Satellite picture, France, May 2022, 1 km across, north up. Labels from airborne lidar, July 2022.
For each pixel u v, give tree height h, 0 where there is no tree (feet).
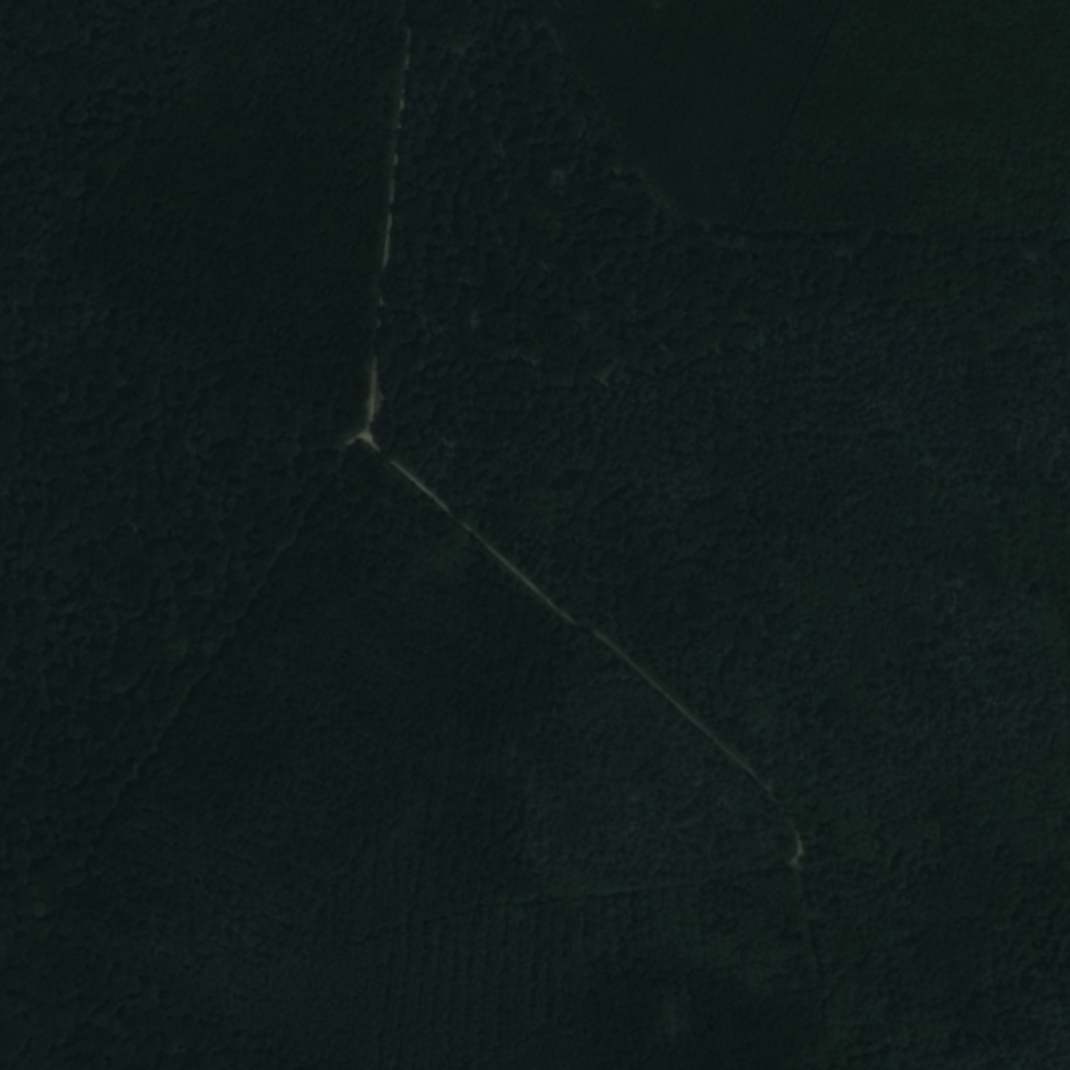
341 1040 63
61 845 83
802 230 36
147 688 95
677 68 19
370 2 40
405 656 55
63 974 108
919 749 100
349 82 55
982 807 78
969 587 107
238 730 67
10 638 77
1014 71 44
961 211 50
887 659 78
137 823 58
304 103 46
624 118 18
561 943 61
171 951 63
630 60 19
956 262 73
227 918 55
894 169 51
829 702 93
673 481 102
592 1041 71
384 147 43
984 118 43
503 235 73
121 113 80
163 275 64
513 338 64
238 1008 64
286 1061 70
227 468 102
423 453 72
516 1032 66
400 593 49
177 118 60
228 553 59
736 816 64
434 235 90
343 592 63
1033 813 73
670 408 99
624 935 56
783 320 46
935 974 93
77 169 95
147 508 89
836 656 74
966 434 77
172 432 77
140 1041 98
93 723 100
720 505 93
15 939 96
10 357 73
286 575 66
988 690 63
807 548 78
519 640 68
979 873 73
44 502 48
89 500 90
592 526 74
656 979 73
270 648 58
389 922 66
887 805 95
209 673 65
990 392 75
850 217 48
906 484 81
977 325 73
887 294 63
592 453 63
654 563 58
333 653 56
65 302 72
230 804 67
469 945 67
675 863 76
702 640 65
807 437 84
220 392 82
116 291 69
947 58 44
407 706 47
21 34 92
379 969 75
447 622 66
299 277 72
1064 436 71
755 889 80
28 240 85
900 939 36
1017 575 49
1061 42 44
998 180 48
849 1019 79
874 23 35
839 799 71
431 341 92
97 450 95
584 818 72
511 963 63
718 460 94
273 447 89
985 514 85
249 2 63
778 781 80
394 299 83
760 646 21
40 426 94
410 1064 58
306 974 68
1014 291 30
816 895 70
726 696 76
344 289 67
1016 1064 93
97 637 83
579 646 80
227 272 62
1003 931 62
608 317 81
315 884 58
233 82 56
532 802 80
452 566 60
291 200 66
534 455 64
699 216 23
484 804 55
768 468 76
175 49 70
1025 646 70
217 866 59
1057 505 65
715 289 69
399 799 50
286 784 52
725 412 94
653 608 69
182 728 54
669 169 19
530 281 86
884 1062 67
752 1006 85
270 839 38
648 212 79
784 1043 83
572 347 91
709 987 78
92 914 75
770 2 21
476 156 80
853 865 65
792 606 73
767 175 30
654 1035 73
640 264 80
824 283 88
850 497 82
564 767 66
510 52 71
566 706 82
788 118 24
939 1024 62
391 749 54
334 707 55
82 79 76
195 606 94
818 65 30
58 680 99
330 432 50
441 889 56
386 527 59
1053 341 77
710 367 79
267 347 64
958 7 37
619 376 75
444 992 67
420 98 66
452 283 90
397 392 69
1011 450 66
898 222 50
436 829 48
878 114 44
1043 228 39
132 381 85
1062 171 45
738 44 18
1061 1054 97
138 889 60
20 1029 105
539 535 73
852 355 97
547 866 86
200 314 52
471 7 74
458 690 56
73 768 101
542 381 58
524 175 74
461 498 81
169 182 70
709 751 85
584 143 73
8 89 84
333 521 61
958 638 91
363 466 68
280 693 63
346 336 67
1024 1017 32
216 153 65
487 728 61
